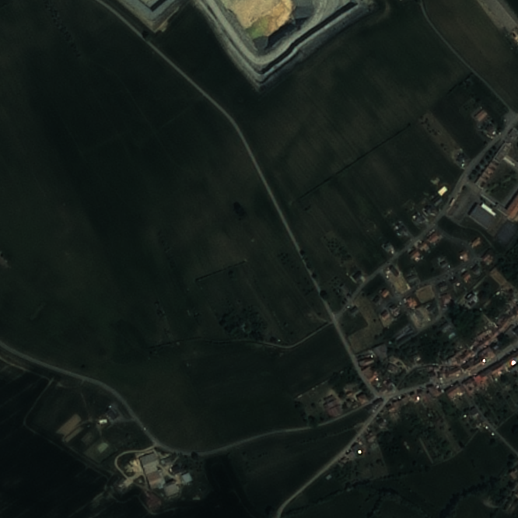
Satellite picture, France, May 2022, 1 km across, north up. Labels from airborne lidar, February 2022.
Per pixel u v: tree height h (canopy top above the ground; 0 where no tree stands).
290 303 0
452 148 0
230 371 0
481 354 0
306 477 0
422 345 7
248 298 0
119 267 0
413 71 0
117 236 0
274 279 0
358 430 0
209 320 0
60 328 0
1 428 0
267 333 0
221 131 0
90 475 0
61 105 0
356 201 0
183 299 0
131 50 0
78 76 0
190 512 0
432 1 0
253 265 0
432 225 0
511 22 0
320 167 0
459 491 0
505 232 0
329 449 0
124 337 0
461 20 0
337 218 0
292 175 0
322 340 0
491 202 0
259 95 0
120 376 0
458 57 0
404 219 0
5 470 0
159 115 0
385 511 0
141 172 0
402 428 0
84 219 0
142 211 0
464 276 0
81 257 0
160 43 0
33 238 0
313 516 0
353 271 0
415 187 0
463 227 0
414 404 0
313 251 0
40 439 0
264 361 0
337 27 0
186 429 0
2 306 0
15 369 0
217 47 0
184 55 0
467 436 0
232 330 14
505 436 0
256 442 0
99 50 0
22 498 0
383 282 0
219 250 0
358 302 0
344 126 0
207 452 0
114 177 0
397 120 0
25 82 0
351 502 0
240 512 0
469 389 0
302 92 0
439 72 0
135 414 0
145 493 0
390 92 0
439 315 0
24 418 0
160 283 0
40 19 0
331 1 0
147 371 0
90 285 0
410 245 0
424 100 0
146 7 0
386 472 0
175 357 0
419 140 0
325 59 0
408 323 0
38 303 0
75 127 0
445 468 0
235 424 0
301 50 0
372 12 0
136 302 0
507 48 0
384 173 0
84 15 0
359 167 0
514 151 0
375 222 0
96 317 0
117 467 0
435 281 0
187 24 0
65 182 0
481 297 16
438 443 5
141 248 0
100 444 0
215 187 0
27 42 0
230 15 0
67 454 0
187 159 0
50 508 0
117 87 0
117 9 0
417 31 0
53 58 0
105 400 0
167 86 0
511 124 0
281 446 0
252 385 0
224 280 0
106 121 0
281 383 0
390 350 10
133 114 0
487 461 0
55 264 0
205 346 0
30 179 0
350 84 0
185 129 0
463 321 20
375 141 0
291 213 0
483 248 0
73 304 0
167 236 0
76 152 0
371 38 0
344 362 0
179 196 0
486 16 0
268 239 0
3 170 0
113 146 0
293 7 0
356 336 0
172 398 0
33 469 0
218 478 0
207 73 0
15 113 0
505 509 8
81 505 0
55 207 0
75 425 0
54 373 0
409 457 0
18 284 0
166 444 0
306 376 0
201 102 0
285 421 0
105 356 0
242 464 0
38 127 0
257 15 0
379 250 0
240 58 0
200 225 0
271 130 0
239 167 0
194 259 0
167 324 0
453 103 0
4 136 0
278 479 0
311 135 0
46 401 0
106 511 0
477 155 0
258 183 0
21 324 0
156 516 0
